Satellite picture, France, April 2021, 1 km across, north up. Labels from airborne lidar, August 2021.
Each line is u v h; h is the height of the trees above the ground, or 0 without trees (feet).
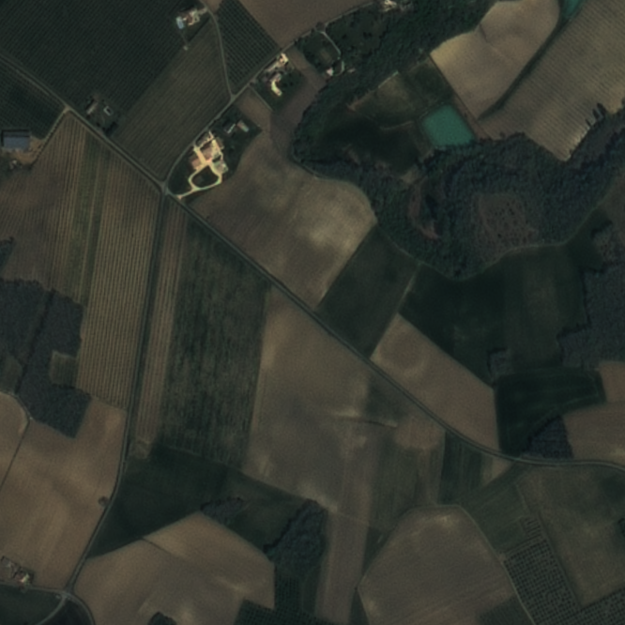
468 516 0
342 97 73
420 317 0
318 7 0
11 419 0
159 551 0
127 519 0
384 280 0
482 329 0
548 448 46
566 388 0
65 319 48
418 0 35
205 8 0
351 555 0
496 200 0
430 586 0
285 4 0
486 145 52
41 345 52
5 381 0
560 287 0
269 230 0
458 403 0
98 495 0
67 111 0
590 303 51
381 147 0
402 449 0
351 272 0
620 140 33
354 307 0
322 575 0
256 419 0
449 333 0
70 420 64
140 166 0
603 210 0
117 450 0
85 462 0
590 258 0
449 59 0
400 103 0
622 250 33
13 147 0
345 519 0
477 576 0
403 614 0
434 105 0
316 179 0
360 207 0
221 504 37
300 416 0
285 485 0
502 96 0
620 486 0
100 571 0
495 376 30
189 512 0
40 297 47
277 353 0
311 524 54
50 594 0
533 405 0
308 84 0
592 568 0
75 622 0
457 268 45
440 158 55
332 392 0
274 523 0
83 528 0
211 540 0
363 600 0
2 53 0
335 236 0
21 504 0
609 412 0
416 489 0
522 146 33
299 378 0
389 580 0
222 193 0
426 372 0
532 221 32
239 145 0
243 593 0
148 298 0
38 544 0
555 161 37
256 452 0
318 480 0
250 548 0
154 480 0
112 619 0
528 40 0
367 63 52
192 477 0
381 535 0
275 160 0
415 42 79
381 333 0
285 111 0
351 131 0
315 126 71
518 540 0
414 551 0
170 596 0
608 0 0
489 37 0
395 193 76
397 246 30
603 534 0
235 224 0
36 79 0
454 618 0
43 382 43
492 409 0
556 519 0
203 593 0
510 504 0
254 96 0
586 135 37
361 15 31
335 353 0
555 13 0
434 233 0
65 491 0
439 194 18
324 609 0
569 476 0
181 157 0
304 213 0
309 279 0
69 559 0
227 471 0
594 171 41
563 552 0
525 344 0
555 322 0
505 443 0
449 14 61
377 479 0
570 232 51
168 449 0
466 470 0
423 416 0
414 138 0
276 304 0
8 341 41
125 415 0
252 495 0
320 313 0
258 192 0
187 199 0
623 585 0
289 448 0
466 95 0
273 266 0
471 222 42
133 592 0
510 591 0
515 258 0
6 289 57
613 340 55
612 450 0
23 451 0
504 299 0
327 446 0
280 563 52
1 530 0
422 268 0
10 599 0
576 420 0
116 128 22
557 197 68
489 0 72
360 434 0
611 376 0
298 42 24
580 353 64
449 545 0
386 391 0
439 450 0
